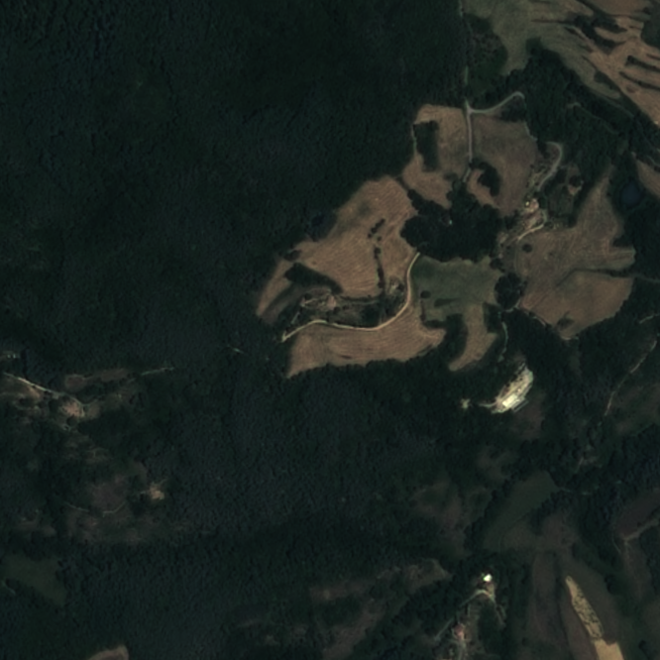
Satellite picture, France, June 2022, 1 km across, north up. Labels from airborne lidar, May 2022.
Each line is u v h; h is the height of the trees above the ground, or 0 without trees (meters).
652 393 0
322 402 15
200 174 15
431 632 15
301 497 11
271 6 16
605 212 0
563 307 0
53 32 21
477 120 0
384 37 13
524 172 0
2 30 21
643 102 0
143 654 18
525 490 0
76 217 16
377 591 13
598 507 11
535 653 0
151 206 14
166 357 15
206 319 13
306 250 0
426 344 0
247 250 21
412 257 0
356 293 0
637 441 23
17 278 8
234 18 14
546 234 0
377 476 16
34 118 28
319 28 15
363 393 20
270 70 11
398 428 18
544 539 0
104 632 28
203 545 19
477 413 15
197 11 26
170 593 18
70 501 12
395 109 21
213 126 19
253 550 23
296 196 19
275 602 7
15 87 16
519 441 0
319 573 15
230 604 16
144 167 25
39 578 0
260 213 21
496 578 7
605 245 0
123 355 14
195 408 11
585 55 0
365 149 19
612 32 0
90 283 15
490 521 16
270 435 15
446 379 8
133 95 15
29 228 14
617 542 6
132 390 0
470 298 0
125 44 22
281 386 16
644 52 0
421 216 8
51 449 9
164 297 18
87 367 15
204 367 16
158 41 19
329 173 24
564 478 22
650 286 13
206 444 20
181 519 9
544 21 0
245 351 13
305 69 16
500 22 0
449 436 19
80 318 16
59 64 30
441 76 9
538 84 13
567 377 12
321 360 0
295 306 6
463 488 7
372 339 0
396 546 20
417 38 15
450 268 0
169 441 16
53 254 6
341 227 0
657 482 20
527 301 0
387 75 11
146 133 17
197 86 13
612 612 0
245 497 22
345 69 15
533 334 15
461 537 0
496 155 0
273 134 28
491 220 11
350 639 0
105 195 13
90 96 28
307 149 29
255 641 8
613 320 9
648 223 23
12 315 20
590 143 12
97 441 11
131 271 14
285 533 17
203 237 19
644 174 0
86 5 6
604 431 7
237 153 21
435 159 9
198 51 18
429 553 17
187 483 16
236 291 14
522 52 0
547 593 0
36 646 17
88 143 29
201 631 13
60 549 21
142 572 20
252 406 17
